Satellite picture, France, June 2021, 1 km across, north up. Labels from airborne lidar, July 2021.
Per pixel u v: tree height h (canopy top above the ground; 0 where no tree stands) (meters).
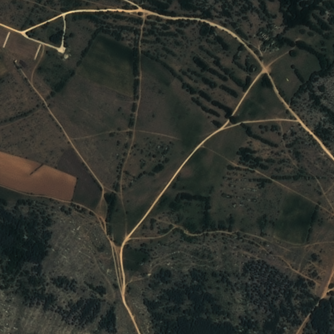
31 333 0
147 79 0
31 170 0
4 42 0
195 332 14
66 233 0
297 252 0
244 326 9
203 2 5
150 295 0
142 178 0
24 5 0
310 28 9
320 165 0
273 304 10
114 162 0
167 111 0
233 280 0
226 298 0
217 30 0
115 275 0
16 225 7
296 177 8
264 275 14
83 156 0
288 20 8
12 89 0
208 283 0
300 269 0
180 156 0
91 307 14
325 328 12
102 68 0
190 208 0
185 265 0
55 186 0
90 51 0
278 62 0
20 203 10
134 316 0
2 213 7
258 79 0
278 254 0
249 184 0
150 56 6
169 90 0
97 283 0
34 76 0
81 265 0
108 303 8
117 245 0
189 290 8
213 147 0
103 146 0
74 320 12
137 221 0
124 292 0
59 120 0
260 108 0
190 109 0
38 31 0
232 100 0
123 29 8
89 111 0
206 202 6
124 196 0
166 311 8
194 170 0
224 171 0
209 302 14
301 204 0
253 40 0
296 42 9
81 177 0
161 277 10
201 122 0
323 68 9
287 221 0
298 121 0
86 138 0
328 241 0
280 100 0
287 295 7
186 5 11
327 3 7
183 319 8
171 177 0
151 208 0
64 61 0
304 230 0
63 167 0
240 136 0
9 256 10
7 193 0
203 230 6
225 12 6
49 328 0
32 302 11
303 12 11
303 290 7
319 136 6
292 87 0
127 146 8
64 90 0
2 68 0
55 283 6
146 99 0
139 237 0
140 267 0
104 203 0
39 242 11
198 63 13
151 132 0
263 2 9
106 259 0
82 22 0
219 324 11
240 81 7
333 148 0
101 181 0
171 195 0
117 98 0
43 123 0
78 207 9
